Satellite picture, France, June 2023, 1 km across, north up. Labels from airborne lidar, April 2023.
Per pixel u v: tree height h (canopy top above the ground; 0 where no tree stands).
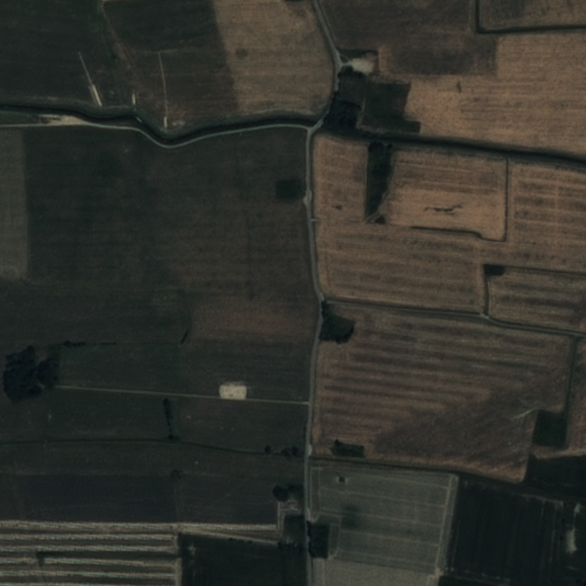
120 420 0
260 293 0
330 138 0
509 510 0
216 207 0
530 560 0
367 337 0
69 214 0
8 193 0
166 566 0
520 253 0
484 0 0
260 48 0
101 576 0
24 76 0
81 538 0
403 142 0
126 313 0
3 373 0
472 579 0
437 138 0
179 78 0
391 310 0
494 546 0
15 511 0
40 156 0
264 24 0
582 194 0
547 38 0
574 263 0
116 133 0
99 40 0
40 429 0
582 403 0
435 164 0
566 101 0
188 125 0
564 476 0
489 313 0
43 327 0
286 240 0
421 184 0
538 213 0
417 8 0
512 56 0
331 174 0
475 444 0
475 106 0
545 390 0
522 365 0
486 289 0
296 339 0
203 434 0
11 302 0
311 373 0
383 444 0
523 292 0
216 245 0
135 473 0
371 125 0
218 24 0
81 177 0
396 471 0
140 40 0
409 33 0
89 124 0
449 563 0
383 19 0
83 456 0
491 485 0
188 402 0
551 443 0
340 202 0
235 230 0
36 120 0
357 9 0
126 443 0
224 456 0
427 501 0
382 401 0
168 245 0
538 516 0
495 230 0
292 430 0
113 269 0
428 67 0
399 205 0
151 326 0
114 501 0
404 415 0
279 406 0
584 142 0
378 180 0
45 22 0
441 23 0
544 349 0
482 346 0
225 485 0
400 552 0
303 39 0
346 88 0
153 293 0
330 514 0
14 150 0
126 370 0
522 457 0
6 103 0
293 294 0
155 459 0
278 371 0
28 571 0
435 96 0
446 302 0
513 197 0
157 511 0
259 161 0
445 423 0
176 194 0
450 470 0
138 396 0
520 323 0
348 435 0
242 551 0
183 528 0
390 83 0
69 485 0
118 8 0
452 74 0
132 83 0
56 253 0
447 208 0
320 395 0
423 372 0
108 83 0
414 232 0
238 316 0
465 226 0
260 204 0
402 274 0
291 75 0
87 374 0
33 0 0
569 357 0
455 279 0
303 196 0
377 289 0
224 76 0
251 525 0
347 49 0
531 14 0
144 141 0
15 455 0
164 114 0
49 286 0
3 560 0
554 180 0
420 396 0
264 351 0
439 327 0
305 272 0
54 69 0
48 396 0
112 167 0
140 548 0
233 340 0
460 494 0
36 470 0
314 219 0
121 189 0
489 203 0
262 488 0
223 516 0
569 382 0
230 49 0
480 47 0
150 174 0
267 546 0
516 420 0
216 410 0
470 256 0
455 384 0
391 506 0
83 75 0
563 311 0
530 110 0
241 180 0
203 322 0
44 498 0
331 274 0
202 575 0
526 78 0
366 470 0
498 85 0
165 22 0
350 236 0
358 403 0
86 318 0
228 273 0
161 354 0
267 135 0
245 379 0
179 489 0
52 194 0
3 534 0
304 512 0
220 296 0
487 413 0
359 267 0
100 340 0
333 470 0
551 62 0
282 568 0
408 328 0
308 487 0
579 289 0
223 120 0
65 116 0
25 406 0
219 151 0
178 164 0
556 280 0
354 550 0
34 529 0
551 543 0
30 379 12
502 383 0
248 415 0
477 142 0
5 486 0
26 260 0
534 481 0
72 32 0
